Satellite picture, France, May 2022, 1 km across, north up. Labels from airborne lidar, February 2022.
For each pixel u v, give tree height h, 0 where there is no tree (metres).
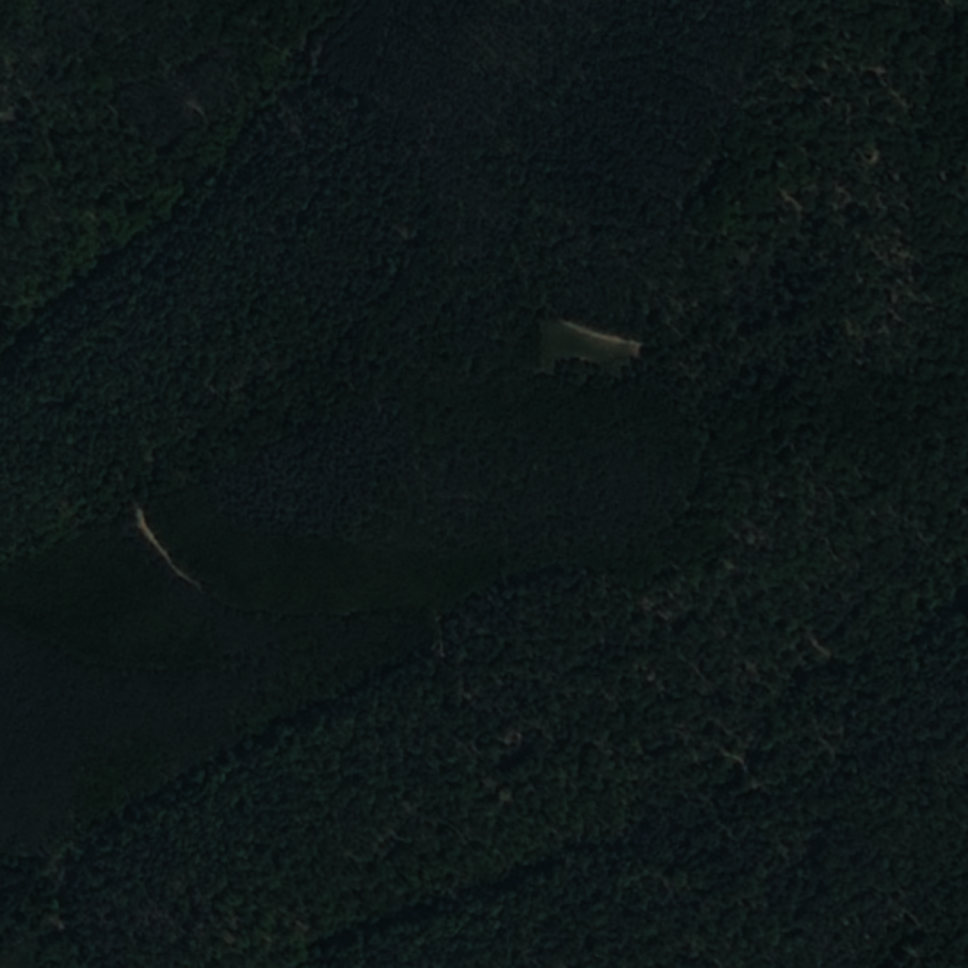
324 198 27
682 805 29
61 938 21
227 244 15
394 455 27
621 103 34
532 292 21
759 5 23
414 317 23
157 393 25
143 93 24
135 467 23
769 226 34
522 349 20
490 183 18
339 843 26
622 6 20
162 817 35
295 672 10
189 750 18
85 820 15
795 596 25
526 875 37
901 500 32
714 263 29
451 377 15
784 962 25
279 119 31
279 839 26
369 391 18
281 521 25
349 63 14
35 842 20
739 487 25
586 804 22
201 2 21
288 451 24
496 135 19
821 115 35
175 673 15
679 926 29
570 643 32
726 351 28
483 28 23
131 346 27
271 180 27
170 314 29
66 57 14
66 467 27
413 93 20
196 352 22
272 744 27
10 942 23
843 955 33
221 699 20
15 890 27
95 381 26
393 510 20
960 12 21
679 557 16
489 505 13
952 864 33
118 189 31
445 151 19
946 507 31
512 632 24
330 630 16
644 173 23
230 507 23
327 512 25
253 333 27
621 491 14
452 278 20
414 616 16
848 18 34
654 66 17
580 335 0
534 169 22
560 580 25
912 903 25
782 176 34
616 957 27
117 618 17
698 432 17
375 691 28
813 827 30
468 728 27
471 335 22
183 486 11
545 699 28
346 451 25
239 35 26
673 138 23
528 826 29
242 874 26
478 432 12
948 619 37
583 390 14
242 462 20
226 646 17
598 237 24
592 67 21
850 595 29
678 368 26
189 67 25
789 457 27
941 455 28
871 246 32
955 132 28
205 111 27
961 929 32
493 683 35
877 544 25
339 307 26
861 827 27
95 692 19
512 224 18
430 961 31
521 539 12
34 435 28
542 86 22
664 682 30
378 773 28
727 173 26
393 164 24
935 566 29
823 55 17
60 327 18
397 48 21
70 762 18
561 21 20
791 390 25
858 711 31
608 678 27
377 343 19
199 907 29
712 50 21
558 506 13
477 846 31
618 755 19
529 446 16
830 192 33
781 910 32
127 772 21
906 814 28
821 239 31
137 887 27
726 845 29
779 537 23
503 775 24
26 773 18
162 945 28
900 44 37
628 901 30
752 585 27
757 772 23
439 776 28
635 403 14
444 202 19
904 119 32
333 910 35
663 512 12
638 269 17
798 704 17
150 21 19
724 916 32
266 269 22
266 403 18
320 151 28
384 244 24
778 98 26
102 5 22
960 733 27
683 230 19
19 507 28
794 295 27
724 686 27
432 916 34
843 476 27
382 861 15
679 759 30
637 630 28
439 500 10
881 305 31
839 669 7
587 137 29
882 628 32
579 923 30
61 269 27
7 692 16
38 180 29
